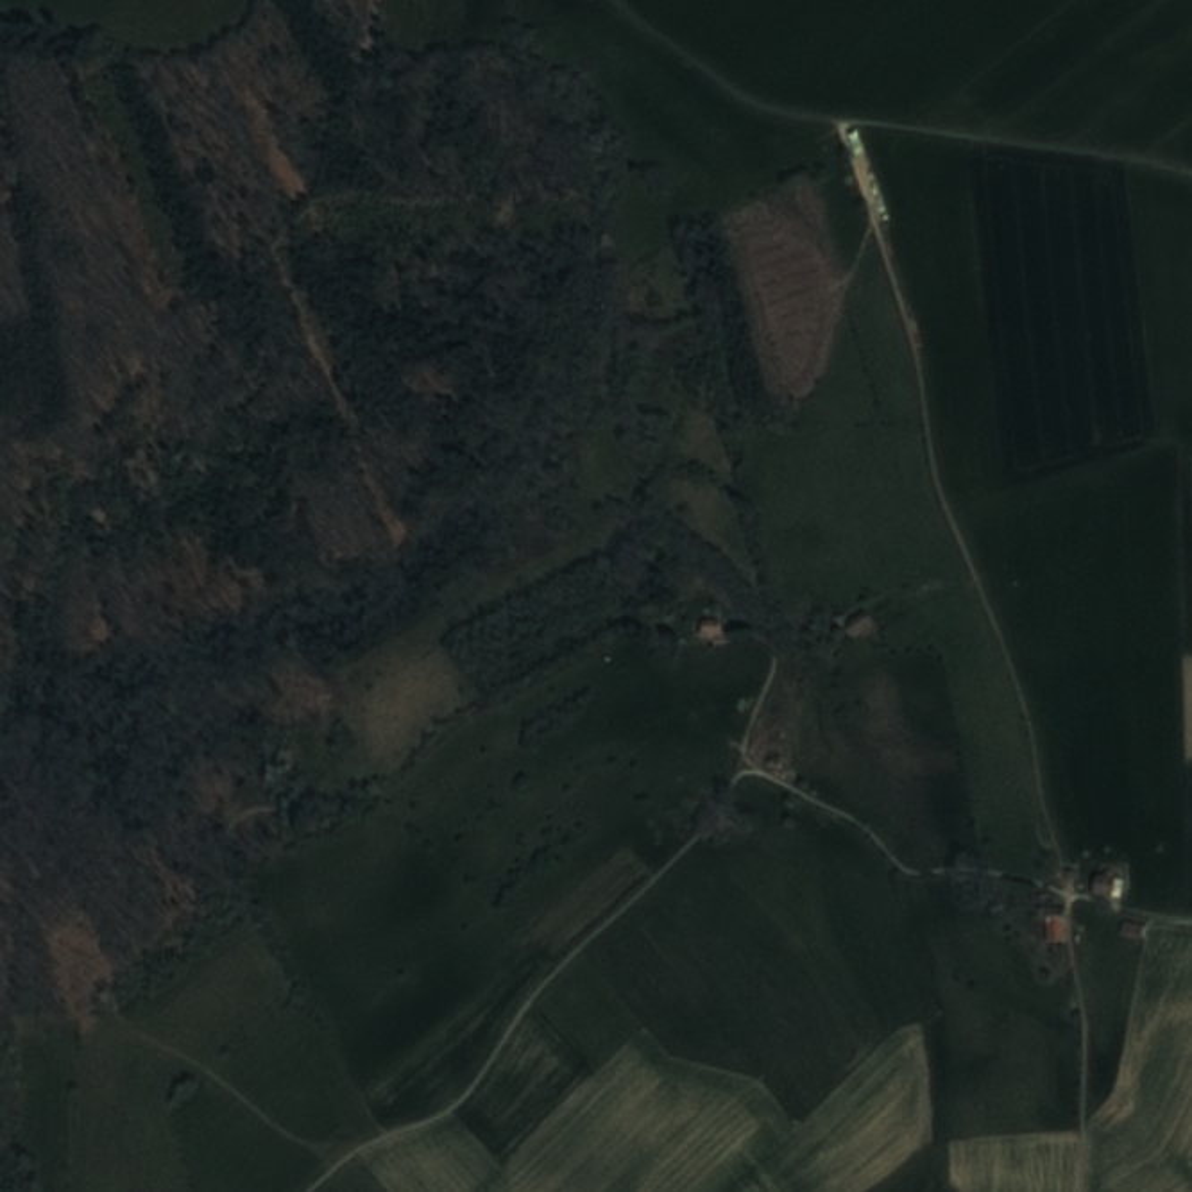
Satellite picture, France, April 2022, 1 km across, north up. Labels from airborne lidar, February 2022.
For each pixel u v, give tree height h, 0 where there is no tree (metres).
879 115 0
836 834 0
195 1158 0
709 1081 0
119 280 29
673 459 0
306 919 0
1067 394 0
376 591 23
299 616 24
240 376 29
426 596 28
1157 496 0
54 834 32
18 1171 11
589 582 17
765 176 0
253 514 21
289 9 31
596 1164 0
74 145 29
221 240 24
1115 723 0
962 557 0
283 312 27
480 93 30
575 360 23
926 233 0
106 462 14
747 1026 0
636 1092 0
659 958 0
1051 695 0
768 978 0
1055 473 0
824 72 0
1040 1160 0
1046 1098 0
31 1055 0
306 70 21
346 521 25
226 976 0
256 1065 0
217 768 30
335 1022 0
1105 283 0
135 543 13
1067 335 0
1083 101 0
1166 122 0
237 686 30
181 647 26
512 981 0
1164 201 0
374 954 0
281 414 25
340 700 18
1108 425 0
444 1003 0
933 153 0
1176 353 0
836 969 0
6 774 32
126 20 0
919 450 0
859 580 0
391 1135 0
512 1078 0
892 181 0
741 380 24
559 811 0
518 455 7
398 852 0
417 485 30
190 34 0
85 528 19
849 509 0
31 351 23
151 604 22
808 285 0
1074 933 0
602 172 22
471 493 26
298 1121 0
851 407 0
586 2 0
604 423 21
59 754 34
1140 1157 0
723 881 0
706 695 0
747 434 16
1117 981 0
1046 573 0
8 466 29
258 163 28
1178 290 0
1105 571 0
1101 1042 0
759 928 0
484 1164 0
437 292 20
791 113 0
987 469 0
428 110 26
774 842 0
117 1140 0
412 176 24
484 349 20
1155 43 0
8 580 29
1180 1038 0
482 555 21
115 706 25
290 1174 0
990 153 0
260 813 0
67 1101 0
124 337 28
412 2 0
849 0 0
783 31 0
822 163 0
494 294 23
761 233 0
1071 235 0
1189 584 0
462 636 15
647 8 0
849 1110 0
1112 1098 0
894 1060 0
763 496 0
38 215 22
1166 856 0
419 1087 0
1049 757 0
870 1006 0
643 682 0
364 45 20
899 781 0
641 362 21
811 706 0
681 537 20
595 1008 0
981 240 0
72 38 9
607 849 0
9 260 29
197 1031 0
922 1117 0
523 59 18
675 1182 0
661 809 0
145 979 17
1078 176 0
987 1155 0
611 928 0
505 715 0
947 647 0
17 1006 27
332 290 20
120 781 11
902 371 0
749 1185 0
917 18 0
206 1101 0
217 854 32
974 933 0
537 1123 0
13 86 26
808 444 0
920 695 0
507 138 23
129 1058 0
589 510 0
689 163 0
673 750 0
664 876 0
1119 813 0
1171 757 0
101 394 28
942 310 0
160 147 27
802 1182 0
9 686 23
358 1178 0
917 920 0
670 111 0
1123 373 0
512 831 0
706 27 0
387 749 0
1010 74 0
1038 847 0
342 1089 0
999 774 0
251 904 12
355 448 31
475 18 0
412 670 0
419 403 23
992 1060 0
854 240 0
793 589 0
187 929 11
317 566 23
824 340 0
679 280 0
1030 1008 0
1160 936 0
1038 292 0
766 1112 0
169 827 30
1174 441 0
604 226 20
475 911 0
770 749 0
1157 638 0
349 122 24
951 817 0
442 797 0
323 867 0
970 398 0
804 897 0
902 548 0
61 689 24
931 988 0
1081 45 0
